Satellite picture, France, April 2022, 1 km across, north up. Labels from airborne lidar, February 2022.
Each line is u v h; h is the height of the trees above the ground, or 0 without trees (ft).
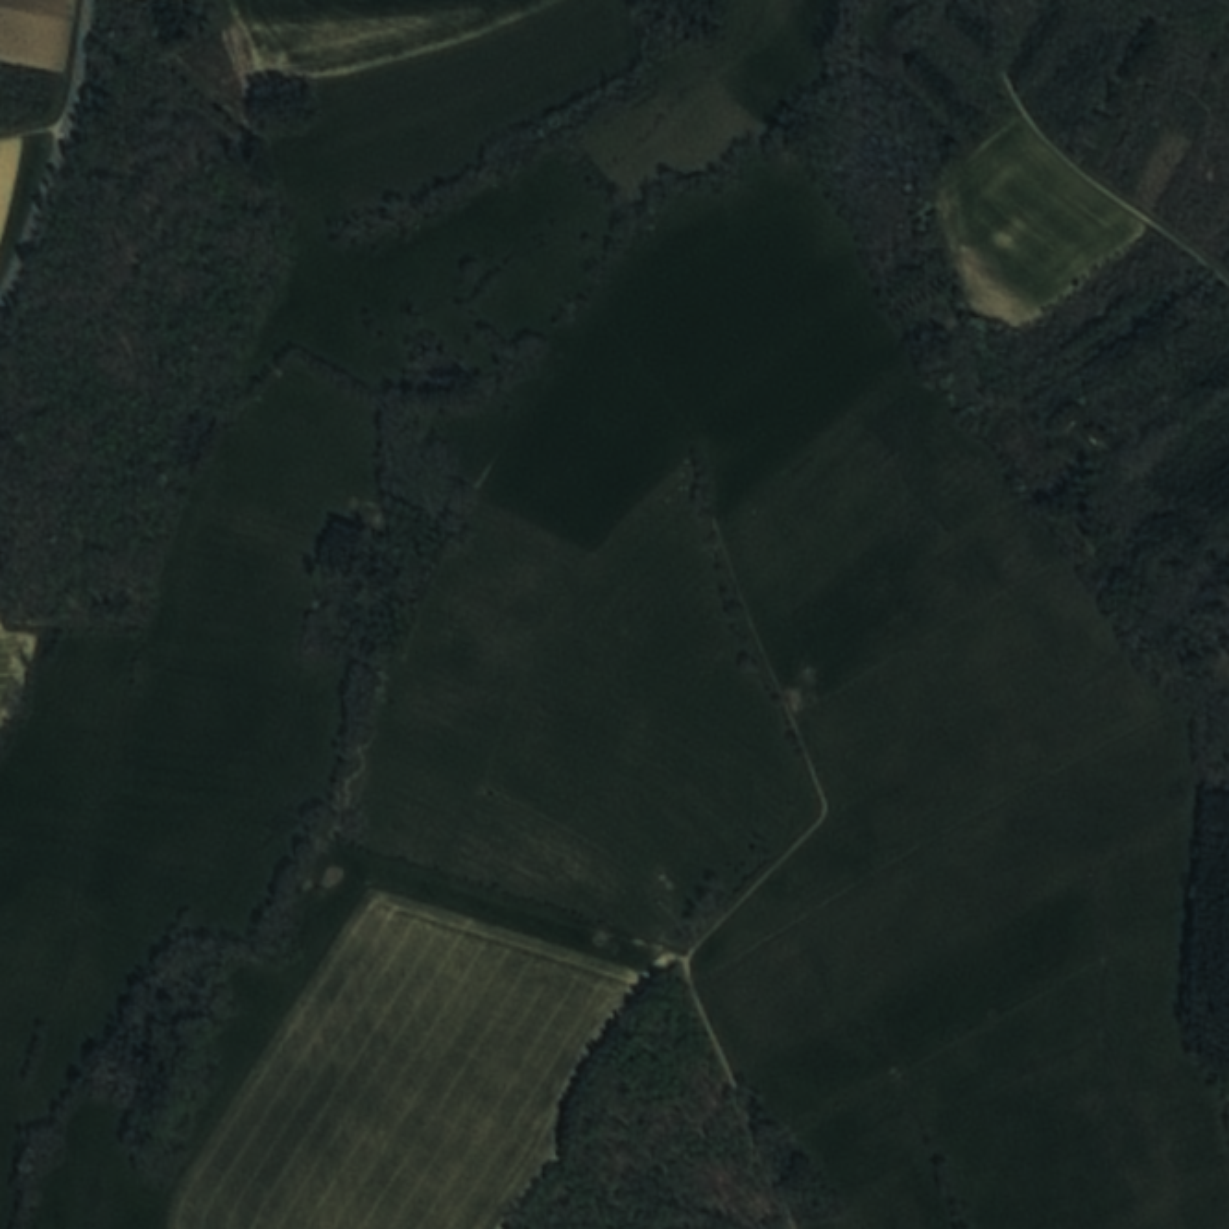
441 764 0
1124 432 42
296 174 0
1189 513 37
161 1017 71
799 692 0
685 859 0
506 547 0
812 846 0
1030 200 0
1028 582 0
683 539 0
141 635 39
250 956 58
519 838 0
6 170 0
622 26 0
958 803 0
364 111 0
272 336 0
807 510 0
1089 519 61
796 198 0
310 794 0
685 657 0
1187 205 22
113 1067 82
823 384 0
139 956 0
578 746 0
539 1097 0
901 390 0
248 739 0
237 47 0
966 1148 0
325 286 0
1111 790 0
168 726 0
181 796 0
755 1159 70
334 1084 0
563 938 0
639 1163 79
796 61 0
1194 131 24
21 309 59
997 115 46
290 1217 0
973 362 21
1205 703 51
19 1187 49
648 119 0
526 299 0
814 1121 0
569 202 0
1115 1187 0
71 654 0
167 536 63
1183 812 0
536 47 0
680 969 35
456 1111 0
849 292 0
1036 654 0
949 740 0
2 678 0
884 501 0
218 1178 0
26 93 31
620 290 0
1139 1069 0
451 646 0
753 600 0
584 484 0
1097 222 0
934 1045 0
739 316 0
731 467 0
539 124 33
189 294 73
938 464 0
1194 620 65
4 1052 0
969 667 0
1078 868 0
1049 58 40
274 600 0
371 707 77
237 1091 0
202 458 75
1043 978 0
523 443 0
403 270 0
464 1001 0
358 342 0
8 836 0
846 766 0
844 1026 0
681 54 65
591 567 0
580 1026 0
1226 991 84
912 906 0
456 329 0
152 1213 0
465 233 0
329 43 0
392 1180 0
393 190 0
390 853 0
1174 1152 0
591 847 0
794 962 0
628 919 0
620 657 0
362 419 0
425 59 0
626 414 0
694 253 0
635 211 20
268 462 0
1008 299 0
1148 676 64
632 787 0
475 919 0
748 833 0
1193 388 27
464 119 0
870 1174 0
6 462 83
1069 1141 0
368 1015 0
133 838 0
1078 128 39
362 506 0
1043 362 32
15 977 0
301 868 50
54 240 55
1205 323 30
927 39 40
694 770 0
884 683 0
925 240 52
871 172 60
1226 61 26
